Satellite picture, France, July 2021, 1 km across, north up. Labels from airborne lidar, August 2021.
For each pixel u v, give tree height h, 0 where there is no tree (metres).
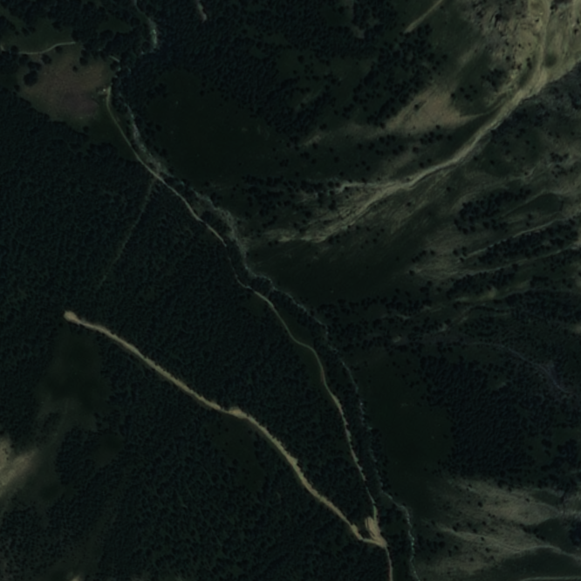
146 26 14
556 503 0
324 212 0
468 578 0
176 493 15
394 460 0
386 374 0
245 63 22
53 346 7
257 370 20
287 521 24
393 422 0
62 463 13
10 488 0
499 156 0
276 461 24
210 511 17
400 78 0
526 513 0
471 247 0
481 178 0
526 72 0
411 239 0
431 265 0
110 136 0
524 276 0
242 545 19
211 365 12
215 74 24
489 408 14
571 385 9
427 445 0
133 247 13
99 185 17
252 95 24
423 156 0
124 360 9
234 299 16
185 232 20
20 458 0
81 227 21
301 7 13
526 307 10
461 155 0
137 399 21
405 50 12
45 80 0
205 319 22
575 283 0
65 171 19
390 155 0
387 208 0
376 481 13
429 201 0
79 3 21
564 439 0
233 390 20
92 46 18
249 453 0
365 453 17
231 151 0
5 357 21
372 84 16
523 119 11
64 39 0
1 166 14
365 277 0
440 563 0
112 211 13
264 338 15
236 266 20
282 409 12
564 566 0
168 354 24
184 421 13
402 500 0
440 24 0
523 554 0
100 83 0
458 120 0
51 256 22
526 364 8
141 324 10
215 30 23
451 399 16
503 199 12
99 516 9
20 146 12
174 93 0
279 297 12
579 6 0
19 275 14
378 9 15
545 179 0
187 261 9
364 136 0
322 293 0
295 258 0
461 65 0
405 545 16
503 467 12
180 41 24
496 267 0
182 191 14
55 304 14
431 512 0
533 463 16
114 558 10
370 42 19
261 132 0
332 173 0
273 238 0
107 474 9
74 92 0
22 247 21
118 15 14
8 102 14
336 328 15
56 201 18
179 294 19
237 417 0
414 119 0
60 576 0
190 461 21
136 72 22
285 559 21
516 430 15
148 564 12
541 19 0
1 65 18
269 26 17
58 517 8
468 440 13
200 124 0
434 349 0
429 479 0
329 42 13
